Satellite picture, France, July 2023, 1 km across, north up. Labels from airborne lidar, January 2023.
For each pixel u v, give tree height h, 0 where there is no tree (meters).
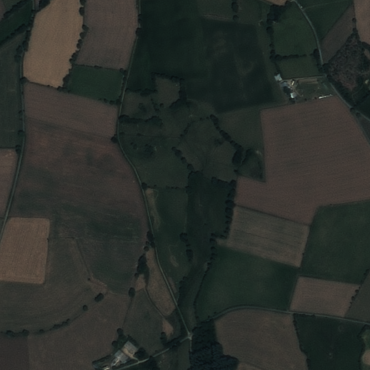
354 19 10
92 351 0
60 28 0
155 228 0
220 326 0
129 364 10
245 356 0
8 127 0
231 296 0
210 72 0
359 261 0
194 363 20
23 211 0
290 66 0
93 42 0
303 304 0
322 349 0
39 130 0
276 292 0
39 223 0
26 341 0
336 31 0
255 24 0
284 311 0
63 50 0
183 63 0
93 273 0
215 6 0
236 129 0
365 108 0
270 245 0
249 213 0
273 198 0
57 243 0
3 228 0
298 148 0
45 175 0
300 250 0
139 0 0
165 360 0
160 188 0
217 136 0
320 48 0
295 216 0
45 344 0
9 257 0
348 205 0
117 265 0
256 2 0
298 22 0
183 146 0
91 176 0
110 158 0
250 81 0
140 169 0
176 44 0
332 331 0
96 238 0
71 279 0
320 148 0
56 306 0
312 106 0
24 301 0
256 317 0
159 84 0
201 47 0
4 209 0
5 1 0
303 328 0
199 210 0
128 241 0
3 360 0
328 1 0
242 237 0
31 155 0
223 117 0
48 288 0
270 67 0
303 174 0
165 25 0
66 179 0
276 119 0
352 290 0
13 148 0
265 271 0
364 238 0
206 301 0
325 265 0
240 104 0
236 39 0
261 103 0
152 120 14
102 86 0
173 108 13
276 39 0
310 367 7
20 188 0
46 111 0
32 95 0
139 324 0
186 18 0
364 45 16
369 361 0
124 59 0
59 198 0
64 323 11
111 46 0
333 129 0
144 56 0
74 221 0
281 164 0
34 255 0
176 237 0
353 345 0
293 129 0
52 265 0
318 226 0
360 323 0
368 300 0
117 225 0
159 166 0
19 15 0
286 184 0
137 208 0
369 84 0
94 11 0
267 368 0
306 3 0
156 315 0
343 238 0
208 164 0
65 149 0
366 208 0
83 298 0
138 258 0
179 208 0
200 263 0
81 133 0
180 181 0
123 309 0
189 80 0
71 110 0
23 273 0
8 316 0
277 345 0
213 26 0
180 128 0
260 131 0
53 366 0
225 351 0
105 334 0
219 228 0
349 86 0
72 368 0
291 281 0
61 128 0
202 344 9
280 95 0
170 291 0
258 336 0
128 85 0
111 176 0
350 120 0
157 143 0
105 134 0
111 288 0
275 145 0
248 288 0
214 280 0
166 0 0
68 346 0
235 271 0
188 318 0
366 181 0
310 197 0
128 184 0
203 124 0
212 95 0
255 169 0
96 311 0
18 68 0
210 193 0
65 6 0
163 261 0
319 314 0
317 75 0
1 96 0
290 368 0
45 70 0
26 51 10
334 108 0
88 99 0
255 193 0
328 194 0
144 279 0
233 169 0
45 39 0
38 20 0
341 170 0
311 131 0
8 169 0
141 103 7
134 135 0
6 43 0
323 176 0
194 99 0
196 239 0
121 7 0
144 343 0
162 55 0
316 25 0
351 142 0
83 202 0
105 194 0
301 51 0
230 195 11
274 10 7
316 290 0
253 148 0
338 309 0
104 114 0
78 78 0
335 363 0
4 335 0
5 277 0
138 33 17
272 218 0
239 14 0
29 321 0
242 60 0
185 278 15
